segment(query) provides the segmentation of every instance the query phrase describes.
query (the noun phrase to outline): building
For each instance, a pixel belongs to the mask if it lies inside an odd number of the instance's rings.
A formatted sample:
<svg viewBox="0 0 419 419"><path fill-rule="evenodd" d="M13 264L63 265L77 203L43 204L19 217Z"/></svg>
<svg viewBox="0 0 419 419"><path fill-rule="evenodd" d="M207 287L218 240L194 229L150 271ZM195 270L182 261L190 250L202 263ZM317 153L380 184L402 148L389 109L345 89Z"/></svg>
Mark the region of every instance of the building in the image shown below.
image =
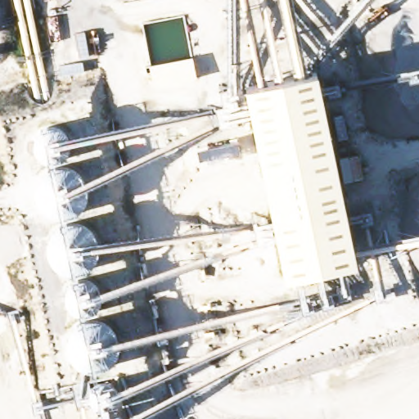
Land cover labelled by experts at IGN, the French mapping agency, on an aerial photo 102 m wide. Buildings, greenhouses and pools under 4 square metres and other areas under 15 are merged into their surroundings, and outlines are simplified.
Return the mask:
<svg viewBox="0 0 419 419"><path fill-rule="evenodd" d="M100 246L90 229L74 226L74 221L95 218L113 211L113 205L87 209L88 191L126 173L155 159L157 155L154 151L118 167L85 183L79 173L69 170L67 159L70 157L70 149L111 141L118 142L118 147L129 147L129 139L139 139L141 129L128 133L111 131L100 136L80 137L72 141L62 131L46 129L43 134L34 137L34 151L36 157L43 157L46 154L39 162L39 175L34 180L41 188L34 193L34 203L43 214L44 223L49 224L47 262L61 278L65 308L72 318L72 327L65 332L65 339L69 340L65 347L65 357L79 368L80 372L87 375L83 378L82 396L87 398L87 393L95 394L97 419L115 419L118 416L118 409L123 409L121 401L183 372L188 367L180 360L177 367L169 372L160 373L151 380L142 381L121 393L111 388L111 381L118 380L121 373L134 375L147 370L144 357L119 362L118 354L121 350L134 349L154 342L157 345L167 344L167 340L177 337L180 334L177 329L170 331L128 340L121 344L115 332L111 331L111 327L100 324L100 319L93 318L93 314L101 311L101 303L154 285L167 280L164 272L141 280L136 275L123 277L118 272L126 267L123 260L98 265L98 255L144 249L159 250L154 242L146 242L131 246Z"/></svg>
<svg viewBox="0 0 419 419"><path fill-rule="evenodd" d="M254 126L252 133L267 188L268 211L272 216L277 236L275 241L278 247L278 264L283 267L282 278L288 288L311 285L322 280L327 282L334 278L339 280L358 273L354 242L350 236L349 219L340 188L336 155L327 124L321 85L319 80L314 79L306 80L304 83L290 83L283 90L247 95L247 105Z"/></svg>

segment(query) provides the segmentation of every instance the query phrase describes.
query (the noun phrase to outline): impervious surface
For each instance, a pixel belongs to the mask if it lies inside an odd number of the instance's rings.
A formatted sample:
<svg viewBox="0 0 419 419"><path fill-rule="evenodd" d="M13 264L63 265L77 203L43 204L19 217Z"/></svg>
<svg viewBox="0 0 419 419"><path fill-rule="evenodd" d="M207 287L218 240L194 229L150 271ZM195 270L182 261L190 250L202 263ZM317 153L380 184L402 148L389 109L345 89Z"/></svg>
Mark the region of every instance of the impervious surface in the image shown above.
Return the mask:
<svg viewBox="0 0 419 419"><path fill-rule="evenodd" d="M11 223L25 229L29 254L20 257L23 273L18 277L21 280L28 280L33 285L33 290L29 290L21 298L16 298L11 306L28 308L33 329L39 332L38 339L34 340L34 357L38 365L39 386L44 388L44 394L39 396L44 411L41 419L97 419L95 394L87 393L87 398L82 396L83 378L87 375L80 372L79 368L65 357L65 347L69 340L65 339L65 332L72 327L72 318L65 308L61 278L47 262L49 224L44 223L43 214L34 203L34 193L41 188L34 180L39 175L39 162L46 154L43 157L36 157L34 151L29 154L28 159L18 165L16 183L11 185L16 190L15 205L0 208L0 224L5 226Z"/></svg>
<svg viewBox="0 0 419 419"><path fill-rule="evenodd" d="M134 375L121 373L118 380L111 381L111 388L121 393L142 381L151 380L160 373L169 372L177 367L180 360L187 357L187 350L183 349L177 337L167 340L167 344L157 345L154 342L134 349L121 350L118 354L119 362L144 357L147 370Z"/></svg>
<svg viewBox="0 0 419 419"><path fill-rule="evenodd" d="M115 164L115 151L118 147L118 142L111 141L70 149L70 157L67 159L69 170L79 173L85 183L118 167Z"/></svg>
<svg viewBox="0 0 419 419"><path fill-rule="evenodd" d="M142 260L146 259L144 249L98 255L98 265L123 260L126 267L118 272L123 277L136 275L141 280Z"/></svg>
<svg viewBox="0 0 419 419"><path fill-rule="evenodd" d="M118 409L118 416L115 419L133 419L137 412L146 411L160 401L170 398L172 394L185 390L188 378L183 372L121 401L123 409Z"/></svg>
<svg viewBox="0 0 419 419"><path fill-rule="evenodd" d="M139 221L136 214L136 193L131 188L131 177L126 173L88 191L87 209L113 205L113 211L95 218L74 221L74 226L90 229L100 246L131 246L146 242L144 223Z"/></svg>
<svg viewBox="0 0 419 419"><path fill-rule="evenodd" d="M155 293L159 293L157 286L154 285L101 303L101 311L93 314L93 318L100 319L100 324L111 327L111 331L115 332L121 344L128 340L170 331L164 318L152 316L151 298Z"/></svg>

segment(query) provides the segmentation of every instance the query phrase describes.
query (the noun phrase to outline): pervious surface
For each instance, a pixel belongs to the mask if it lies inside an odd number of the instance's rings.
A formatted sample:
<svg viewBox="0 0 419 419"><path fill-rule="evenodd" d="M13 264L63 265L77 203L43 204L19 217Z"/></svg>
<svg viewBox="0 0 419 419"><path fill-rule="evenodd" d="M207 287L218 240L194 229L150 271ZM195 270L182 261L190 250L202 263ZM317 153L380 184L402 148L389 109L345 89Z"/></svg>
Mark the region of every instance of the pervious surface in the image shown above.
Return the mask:
<svg viewBox="0 0 419 419"><path fill-rule="evenodd" d="M21 280L18 277L23 273L20 257L29 254L25 229L11 223L5 226L0 224L0 419L41 419L44 411L39 396L44 394L44 388L39 386L38 365L34 357L34 340L38 339L39 332L33 329L28 308L11 306L16 298L21 298L29 290L33 290L33 285L28 280Z"/></svg>
<svg viewBox="0 0 419 419"><path fill-rule="evenodd" d="M182 18L183 21L188 46L187 61L151 64L144 26L175 18ZM267 188L252 133L254 126L247 105L247 95L283 90L290 83L304 83L306 80L314 79L319 80L321 85L327 124L336 155L340 188L349 219L350 236L354 242L358 273L339 280L334 278L327 282L322 280L311 285L288 288L282 278L283 267L278 264L278 247L275 241L277 236L272 216L268 211ZM29 154L34 151L34 137L43 134L46 129L62 131L72 141L80 137L100 136L111 131L128 133L141 129L139 139L129 139L129 147L118 147L115 151L115 164L118 167L154 151L157 155L155 159L126 173L131 177L131 188L136 193L136 214L139 221L144 223L146 242L154 242L159 250L144 249L146 259L142 260L141 280L164 272L167 280L154 285L157 286L159 293L155 293L151 298L152 316L164 318L170 331L177 329L180 334L177 337L183 349L187 350L187 357L180 360L188 367L183 372L188 378L185 390L172 394L170 398L160 401L146 411L137 412L133 419L419 419L419 0L0 0L0 208L15 205L16 190L11 185L16 183L18 165L28 159Z"/></svg>

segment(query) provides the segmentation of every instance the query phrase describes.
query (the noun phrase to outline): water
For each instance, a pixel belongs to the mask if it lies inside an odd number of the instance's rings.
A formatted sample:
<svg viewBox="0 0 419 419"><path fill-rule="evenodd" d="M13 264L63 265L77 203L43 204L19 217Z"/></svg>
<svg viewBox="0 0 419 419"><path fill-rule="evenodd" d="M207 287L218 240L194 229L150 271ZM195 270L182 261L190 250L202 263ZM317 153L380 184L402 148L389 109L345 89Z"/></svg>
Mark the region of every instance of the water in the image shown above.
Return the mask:
<svg viewBox="0 0 419 419"><path fill-rule="evenodd" d="M151 64L187 61L188 46L183 21L182 18L175 18L144 26Z"/></svg>

